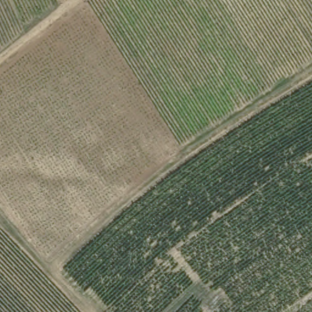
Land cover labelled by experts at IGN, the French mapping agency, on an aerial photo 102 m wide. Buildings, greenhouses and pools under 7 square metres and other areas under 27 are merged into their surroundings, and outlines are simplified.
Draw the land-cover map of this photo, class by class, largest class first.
<instances>
[{"label":"vineyard","instance_id":"1","mask_svg":"<svg viewBox=\"0 0 312 312\"><path fill-rule=\"evenodd\" d=\"M67 0H0V54ZM0 312H312V0H83L63 13L54 23L49 24L40 33L39 38L35 37L28 41L23 48L0 63Z\"/></svg>","mask_w":312,"mask_h":312},{"label":"pervious surface","instance_id":"2","mask_svg":"<svg viewBox=\"0 0 312 312\"><path fill-rule=\"evenodd\" d=\"M83 0H67L0 54V63L23 48L28 41L35 37L39 38L40 33L49 24L54 23L63 13Z\"/></svg>","mask_w":312,"mask_h":312}]
</instances>
